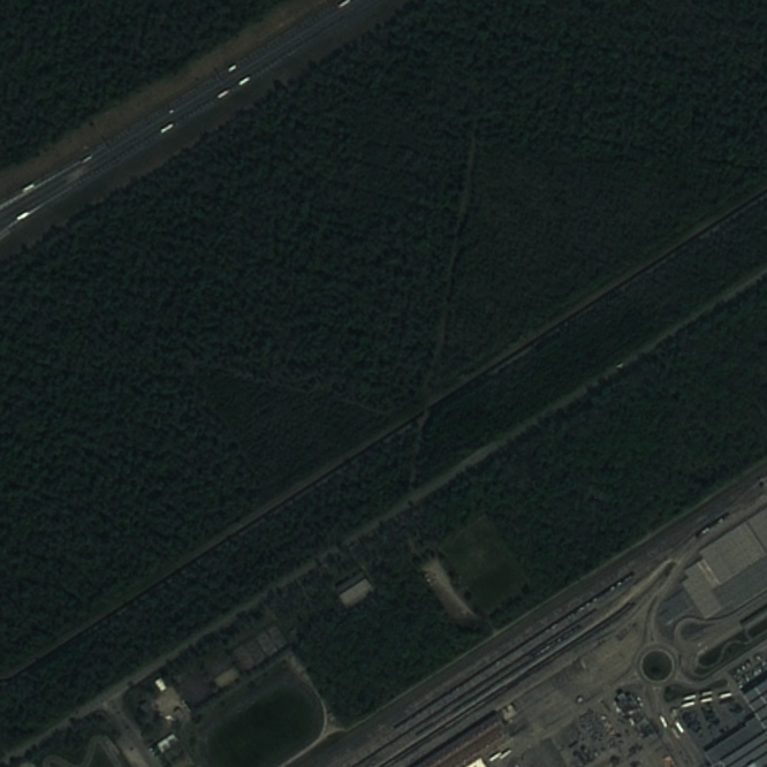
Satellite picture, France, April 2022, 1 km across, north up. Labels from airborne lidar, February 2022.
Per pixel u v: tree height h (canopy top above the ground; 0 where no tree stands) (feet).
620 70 67
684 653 0
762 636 0
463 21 61
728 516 0
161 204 52
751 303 63
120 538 38
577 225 31
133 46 44
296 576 0
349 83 57
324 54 0
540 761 0
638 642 0
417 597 51
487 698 0
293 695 0
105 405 51
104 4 62
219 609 49
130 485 53
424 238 70
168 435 57
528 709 0
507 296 29
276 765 0
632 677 0
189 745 0
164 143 0
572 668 0
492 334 28
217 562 41
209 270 51
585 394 0
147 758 0
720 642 0
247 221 50
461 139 45
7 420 55
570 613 0
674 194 35
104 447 50
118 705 0
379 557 55
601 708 0
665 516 49
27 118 56
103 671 39
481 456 0
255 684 0
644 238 32
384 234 66
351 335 40
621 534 50
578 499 65
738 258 31
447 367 33
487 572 0
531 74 48
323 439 18
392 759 0
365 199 26
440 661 46
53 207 0
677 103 55
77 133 0
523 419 43
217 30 49
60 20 51
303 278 64
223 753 0
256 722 0
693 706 0
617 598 0
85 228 49
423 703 0
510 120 60
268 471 19
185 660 54
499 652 0
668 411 58
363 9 0
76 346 56
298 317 57
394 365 54
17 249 0
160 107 0
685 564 0
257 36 0
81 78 53
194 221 35
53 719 23
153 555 54
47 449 59
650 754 0
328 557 0
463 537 0
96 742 0
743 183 34
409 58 42
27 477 59
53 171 0
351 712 60
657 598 0
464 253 33
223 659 0
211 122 0
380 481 55
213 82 0
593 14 60
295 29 0
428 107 63
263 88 0
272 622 0
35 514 42
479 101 58
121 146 0
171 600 40
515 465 60
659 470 65
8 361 52
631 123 69
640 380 62
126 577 52
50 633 38
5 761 0
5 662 33
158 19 48
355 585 0
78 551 48
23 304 56
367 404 45
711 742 0
